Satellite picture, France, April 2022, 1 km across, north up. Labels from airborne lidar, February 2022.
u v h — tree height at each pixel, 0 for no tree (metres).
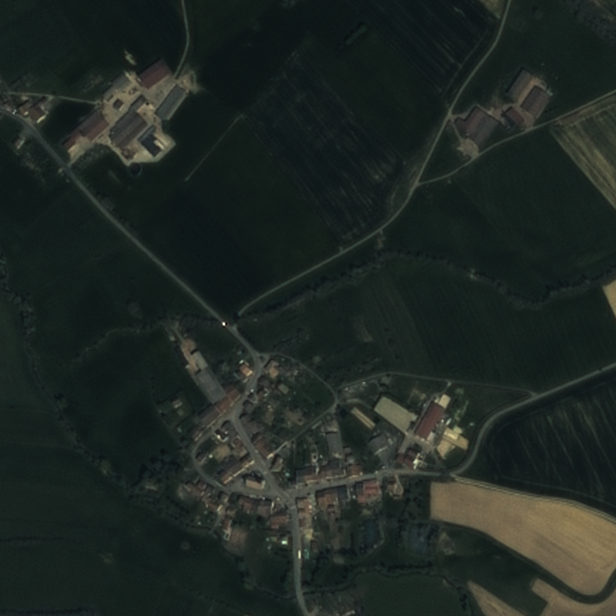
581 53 0
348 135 0
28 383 0
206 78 0
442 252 0
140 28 0
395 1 0
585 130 0
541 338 0
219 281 0
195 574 0
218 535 0
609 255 0
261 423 0
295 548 0
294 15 0
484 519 0
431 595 0
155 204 0
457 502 0
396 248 0
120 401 0
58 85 0
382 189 0
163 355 0
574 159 0
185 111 0
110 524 0
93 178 0
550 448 0
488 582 0
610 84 0
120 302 0
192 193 0
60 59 0
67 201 0
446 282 0
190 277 0
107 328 0
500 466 0
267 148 0
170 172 0
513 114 0
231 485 0
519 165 0
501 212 0
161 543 0
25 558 0
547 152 0
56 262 0
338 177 0
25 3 0
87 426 0
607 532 0
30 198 0
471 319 0
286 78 0
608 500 0
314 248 0
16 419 0
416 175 0
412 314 0
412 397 0
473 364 0
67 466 0
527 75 0
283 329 0
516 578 0
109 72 0
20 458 0
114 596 0
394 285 0
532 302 10
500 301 0
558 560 0
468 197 0
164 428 0
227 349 0
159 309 0
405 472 0
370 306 0
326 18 0
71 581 0
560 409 0
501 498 0
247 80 0
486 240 0
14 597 0
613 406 0
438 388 0
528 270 0
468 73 0
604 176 0
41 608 0
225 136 0
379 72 0
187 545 0
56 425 0
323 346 0
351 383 0
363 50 0
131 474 0
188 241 0
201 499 0
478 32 0
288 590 10
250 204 0
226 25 0
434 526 0
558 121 0
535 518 0
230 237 0
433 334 0
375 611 0
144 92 0
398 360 6
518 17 0
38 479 0
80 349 0
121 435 0
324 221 0
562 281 0
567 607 0
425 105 0
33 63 0
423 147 0
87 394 0
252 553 0
